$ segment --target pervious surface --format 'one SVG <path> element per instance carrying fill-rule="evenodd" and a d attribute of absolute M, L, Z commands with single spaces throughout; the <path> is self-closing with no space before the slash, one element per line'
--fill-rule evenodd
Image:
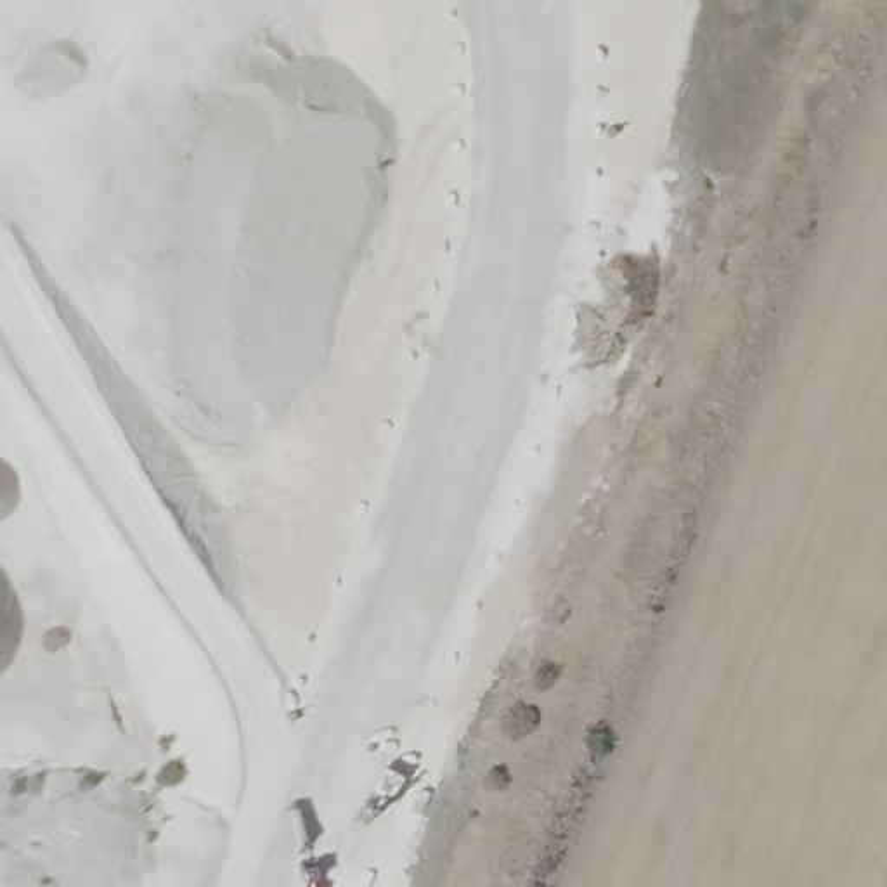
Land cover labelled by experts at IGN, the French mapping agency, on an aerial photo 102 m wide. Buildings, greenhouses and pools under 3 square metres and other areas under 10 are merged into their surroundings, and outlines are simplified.
<path fill-rule="evenodd" d="M 416 863 L 416 849 L 426 828 L 426 790 L 440 783 L 444 773 L 454 766 L 457 738 L 468 731 L 471 714 L 478 710 L 478 700 L 489 690 L 506 651 L 537 648 L 537 561 L 554 565 L 565 551 L 568 534 L 582 520 L 582 506 L 592 499 L 592 492 L 610 492 L 610 482 L 603 482 L 603 464 L 610 457 L 606 412 L 617 398 L 617 381 L 627 374 L 634 357 L 620 353 L 606 367 L 586 367 L 586 357 L 575 350 L 575 308 L 586 301 L 603 301 L 606 291 L 596 277 L 599 263 L 613 263 L 624 253 L 665 256 L 672 246 L 672 204 L 665 187 L 676 180 L 679 146 L 672 142 L 672 118 L 700 0 L 0 0 L 0 887 L 409 887 L 409 866 Z"/>

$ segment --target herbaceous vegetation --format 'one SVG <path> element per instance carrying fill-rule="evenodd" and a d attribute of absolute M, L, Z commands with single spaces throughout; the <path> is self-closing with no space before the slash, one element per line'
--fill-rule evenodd
<path fill-rule="evenodd" d="M 596 783 L 606 780 L 606 755 L 617 741 L 627 741 L 638 731 L 638 724 L 644 721 L 644 700 L 651 696 L 665 669 L 679 617 L 686 613 L 686 603 L 693 596 L 693 565 L 703 558 L 707 541 L 717 530 L 717 516 L 731 495 L 735 464 L 745 447 L 745 419 L 752 423 L 759 416 L 762 398 L 773 395 L 780 381 L 780 333 L 793 333 L 800 319 L 797 284 L 811 256 L 818 253 L 818 225 L 828 232 L 838 222 L 842 204 L 849 201 L 842 194 L 842 180 L 849 173 L 842 159 L 845 139 L 870 114 L 870 97 L 887 97 L 887 0 L 700 0 L 672 118 L 672 142 L 679 146 L 676 180 L 665 187 L 672 204 L 672 246 L 665 256 L 624 253 L 613 263 L 599 263 L 596 277 L 606 291 L 603 301 L 586 301 L 575 308 L 575 350 L 586 357 L 586 367 L 606 367 L 620 353 L 634 357 L 627 374 L 617 381 L 617 398 L 606 412 L 610 457 L 603 464 L 603 482 L 610 482 L 610 492 L 592 492 L 592 499 L 582 506 L 582 520 L 568 534 L 565 551 L 554 565 L 537 561 L 537 648 L 506 651 L 489 690 L 478 700 L 478 710 L 471 714 L 468 731 L 457 738 L 454 766 L 444 773 L 440 783 L 426 790 L 426 828 L 416 849 L 416 863 L 409 866 L 409 887 L 558 887 L 558 870 L 568 859 L 568 838 L 582 838 Z M 513 703 L 541 707 L 541 724 L 523 738 L 509 738 L 502 728 Z"/>

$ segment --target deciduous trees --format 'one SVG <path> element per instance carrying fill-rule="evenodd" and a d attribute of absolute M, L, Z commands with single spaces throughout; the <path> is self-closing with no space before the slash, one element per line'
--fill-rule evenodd
<path fill-rule="evenodd" d="M 541 724 L 541 707 L 513 703 L 502 728 L 509 738 L 523 738 Z"/>

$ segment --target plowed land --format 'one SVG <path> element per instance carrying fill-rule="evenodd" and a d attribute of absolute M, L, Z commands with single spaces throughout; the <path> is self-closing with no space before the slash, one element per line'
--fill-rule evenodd
<path fill-rule="evenodd" d="M 568 838 L 568 859 L 558 870 L 558 887 L 887 887 L 887 97 L 870 97 L 870 114 L 845 139 L 842 159 L 849 173 L 842 180 L 842 194 L 849 201 L 842 204 L 838 222 L 828 232 L 818 225 L 818 253 L 811 256 L 797 284 L 800 319 L 793 333 L 780 333 L 780 381 L 773 395 L 762 398 L 759 416 L 752 423 L 745 419 L 745 447 L 735 464 L 731 495 L 717 516 L 717 530 L 707 541 L 703 558 L 693 565 L 693 596 L 686 603 L 686 613 L 679 617 L 665 669 L 651 696 L 644 700 L 644 721 L 638 724 L 638 731 L 627 741 L 617 741 L 606 755 L 606 780 L 596 783 L 582 838 Z"/>

